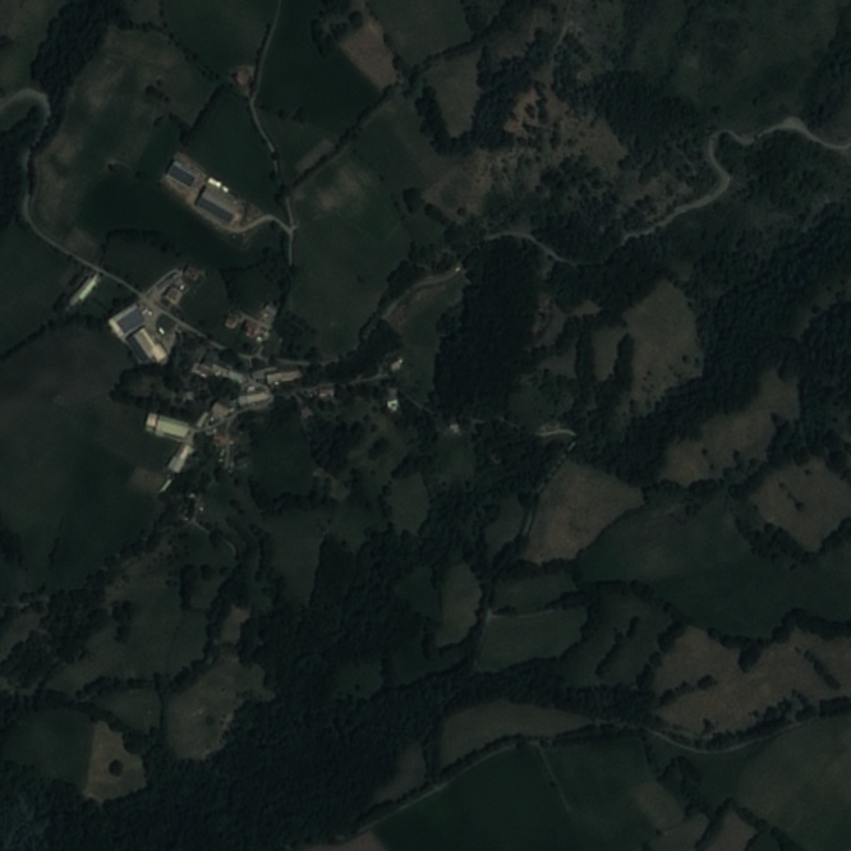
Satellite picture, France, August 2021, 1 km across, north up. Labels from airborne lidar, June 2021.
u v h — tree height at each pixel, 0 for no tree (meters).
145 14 0
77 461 0
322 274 0
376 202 0
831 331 20
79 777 0
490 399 21
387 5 0
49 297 0
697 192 7
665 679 0
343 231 0
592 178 19
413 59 0
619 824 0
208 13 0
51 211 0
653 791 0
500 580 11
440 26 0
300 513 12
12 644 0
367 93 0
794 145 12
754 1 0
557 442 11
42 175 0
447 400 12
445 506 9
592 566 0
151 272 0
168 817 26
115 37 0
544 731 0
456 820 0
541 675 21
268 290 0
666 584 0
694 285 6
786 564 0
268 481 0
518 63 10
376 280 0
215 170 0
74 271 0
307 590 0
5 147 18
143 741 14
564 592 0
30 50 0
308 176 8
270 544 15
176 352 11
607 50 8
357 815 15
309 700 26
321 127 0
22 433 0
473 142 13
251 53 0
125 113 0
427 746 13
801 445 16
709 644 0
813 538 0
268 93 0
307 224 0
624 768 0
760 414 0
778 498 0
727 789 0
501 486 11
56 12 0
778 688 0
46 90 9
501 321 32
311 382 8
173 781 9
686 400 14
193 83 0
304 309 0
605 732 12
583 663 0
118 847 14
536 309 26
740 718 0
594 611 12
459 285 0
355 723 22
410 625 18
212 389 7
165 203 0
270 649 17
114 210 0
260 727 20
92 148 0
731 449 0
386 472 0
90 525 0
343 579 18
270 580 8
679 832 0
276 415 7
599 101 8
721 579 0
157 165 0
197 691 0
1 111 0
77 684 0
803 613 16
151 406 18
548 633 0
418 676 0
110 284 0
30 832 14
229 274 10
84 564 0
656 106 25
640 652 0
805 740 0
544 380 7
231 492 0
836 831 0
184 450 0
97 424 0
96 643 0
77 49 17
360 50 0
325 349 0
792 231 13
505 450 17
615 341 0
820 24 0
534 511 10
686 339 0
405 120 0
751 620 0
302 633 21
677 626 10
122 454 0
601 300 20
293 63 0
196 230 0
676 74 8
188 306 0
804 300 18
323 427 14
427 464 10
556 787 8
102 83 0
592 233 14
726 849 0
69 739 0
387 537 13
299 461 0
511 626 0
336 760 24
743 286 19
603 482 0
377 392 13
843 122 0
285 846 11
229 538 8
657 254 17
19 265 0
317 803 24
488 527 9
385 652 16
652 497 13
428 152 0
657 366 0
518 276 24
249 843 18
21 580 0
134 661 0
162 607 0
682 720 0
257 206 0
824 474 0
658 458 12
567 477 0
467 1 9
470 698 19
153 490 0
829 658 0
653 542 0
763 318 24
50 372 0
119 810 16
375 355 29
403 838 0
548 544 0
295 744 21
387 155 0
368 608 19
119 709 0
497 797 0
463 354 23
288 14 0
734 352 19
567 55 11
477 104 0
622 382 18
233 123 0
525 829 0
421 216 0
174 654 0
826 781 0
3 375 0
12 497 0
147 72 0
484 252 16
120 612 14
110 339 0
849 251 16
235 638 0
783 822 0
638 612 0
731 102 0
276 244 0
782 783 0
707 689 8
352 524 0
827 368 11
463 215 11
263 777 25
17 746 0
